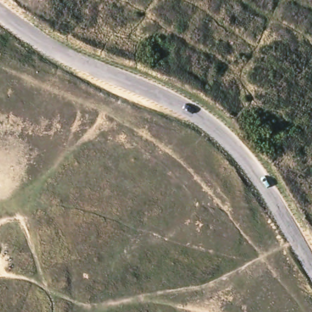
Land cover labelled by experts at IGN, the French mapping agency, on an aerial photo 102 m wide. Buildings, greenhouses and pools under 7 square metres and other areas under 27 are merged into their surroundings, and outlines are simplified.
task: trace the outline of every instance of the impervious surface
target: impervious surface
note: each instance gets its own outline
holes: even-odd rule
[[[247,178],[260,191],[262,199],[277,219],[288,241],[291,247],[306,273],[312,274],[312,240],[307,243],[299,225],[291,216],[283,195],[275,186],[278,180],[268,177],[266,169],[255,155],[240,139],[205,107],[199,110],[199,107],[191,105],[191,99],[188,97],[155,80],[105,65],[94,58],[65,48],[0,2],[0,33],[5,34],[10,30],[40,54],[61,65],[66,66],[77,76],[118,95],[118,101],[130,106],[136,102],[152,110],[194,123],[205,130],[244,169]]]

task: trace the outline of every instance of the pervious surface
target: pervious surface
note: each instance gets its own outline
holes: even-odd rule
[[[252,264],[263,262],[267,256],[273,255],[278,251],[283,251],[284,255],[289,252],[288,247],[291,247],[288,241],[285,243],[280,236],[277,239],[279,244],[267,251],[258,246],[233,217],[229,202],[223,204],[217,199],[212,189],[208,188],[204,180],[171,147],[162,144],[146,129],[135,127],[136,111],[130,106],[118,101],[111,99],[108,106],[95,104],[93,100],[82,99],[68,91],[40,82],[28,74],[15,71],[2,62],[0,62],[0,68],[12,76],[22,78],[28,87],[48,90],[71,101],[77,112],[76,121],[71,127],[72,132],[77,132],[79,128],[80,106],[99,112],[93,127],[82,136],[84,141],[94,139],[100,132],[116,128],[117,124],[121,123],[155,144],[160,154],[167,152],[191,174],[214,204],[227,212],[229,221],[238,228],[258,255],[243,266],[205,284],[144,292],[105,302],[82,302],[55,291],[48,286],[51,283],[50,275],[45,277],[41,269],[40,258],[35,252],[34,241],[27,227],[27,217],[16,214],[0,218],[0,225],[19,222],[23,233],[26,234],[41,279],[40,282],[27,275],[6,272],[9,263],[2,260],[0,255],[0,278],[27,280],[43,286],[49,294],[67,300],[63,312],[102,312],[108,307],[140,302],[160,303],[189,312],[216,312],[194,305],[158,300],[156,295],[202,290],[212,288],[229,278],[245,271]]]
[[[255,155],[266,169],[268,177],[278,180],[275,186],[283,195],[291,216],[299,225],[307,243],[312,240],[312,212],[306,216],[303,214],[299,202],[292,195],[271,157],[261,152]]]
[[[49,24],[38,18],[22,10],[13,0],[0,0],[0,2],[65,48],[94,58],[105,65],[155,80],[188,97],[191,99],[191,105],[199,107],[199,110],[205,107],[240,139],[243,138],[243,132],[234,117],[201,90],[180,82],[175,77],[154,71],[139,62],[102,50],[73,38],[72,35],[56,32]]]

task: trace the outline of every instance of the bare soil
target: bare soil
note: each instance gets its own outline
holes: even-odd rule
[[[19,222],[0,225],[0,255],[2,260],[9,263],[6,272],[27,275],[40,282],[41,279],[26,234],[23,233]]]
[[[194,305],[216,312],[223,312],[221,308],[225,303],[233,300],[232,295],[224,295],[225,291],[232,290],[234,286],[229,278],[212,288],[202,290],[205,301],[197,300]]]
[[[252,39],[243,27],[236,27],[235,33],[255,46],[256,50],[277,39],[277,33],[268,29]]]
[[[255,107],[262,106],[262,102],[256,99],[255,94],[264,94],[264,89],[253,85],[249,79],[249,72],[255,65],[249,61],[228,67],[221,62],[218,63],[216,72],[223,77],[224,85],[228,85],[229,80],[236,80],[240,89],[241,106],[247,107],[247,101],[251,101]]]
[[[274,268],[273,255],[267,256],[263,262],[252,264],[245,271],[251,277],[258,277],[264,271],[269,271],[280,282],[282,277]]]
[[[294,277],[300,285],[301,294],[308,295],[312,292],[312,274],[306,273],[291,247],[288,247],[289,252],[284,255],[285,260],[294,269]]]
[[[0,312],[63,312],[67,300],[49,294],[43,286],[27,280],[0,278]]]
[[[30,208],[21,208],[16,204],[11,194],[21,184],[27,166],[34,163],[34,158],[38,155],[38,150],[34,146],[27,145],[28,135],[54,135],[61,127],[58,123],[60,116],[54,119],[41,117],[40,124],[32,124],[22,122],[22,118],[13,116],[12,113],[0,113],[0,218],[16,214],[27,217],[27,227],[34,241],[35,252],[40,258],[41,269],[45,277],[50,275],[49,264],[66,264],[77,258],[77,255],[67,252],[67,247],[72,247],[72,243],[63,232],[73,232],[82,221],[91,222],[93,214],[63,210],[60,207],[60,200],[51,195],[39,194],[37,204]]]
[[[55,16],[54,9],[51,9],[49,4],[50,0],[13,0],[22,10],[38,18],[39,15],[48,18]]]

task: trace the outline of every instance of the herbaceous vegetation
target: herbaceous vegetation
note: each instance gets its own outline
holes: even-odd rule
[[[285,260],[284,255],[283,251],[278,251],[273,255],[274,268],[282,277],[280,282],[269,271],[264,271],[258,277],[251,277],[245,271],[229,278],[234,286],[232,290],[225,291],[224,295],[232,295],[233,300],[225,303],[221,308],[223,312],[312,312],[312,292],[308,295],[301,294],[300,285],[294,277],[294,269]]]
[[[312,0],[50,0],[49,4],[51,9],[54,9],[55,16],[48,18],[39,15],[38,18],[49,24],[56,32],[72,35],[73,38],[102,50],[105,43],[117,43],[119,49],[133,51],[150,35],[172,33],[184,38],[186,43],[193,45],[194,48],[216,56],[221,62],[228,67],[249,61],[255,65],[249,72],[249,79],[253,85],[264,89],[264,94],[255,94],[256,99],[262,102],[262,106],[255,107],[251,101],[247,101],[247,107],[241,106],[238,115],[234,117],[243,132],[243,138],[240,139],[255,155],[261,152],[271,157],[292,195],[299,202],[303,214],[306,216],[312,212]],[[235,33],[236,27],[243,27],[252,39],[268,29],[277,33],[277,39],[256,50],[255,46]]]
[[[12,60],[10,55],[5,55],[5,61],[2,62],[15,71],[28,74],[40,82],[68,91],[82,99],[93,100],[95,104],[108,106],[111,99],[118,101],[118,95],[77,76],[66,66],[61,65],[58,69],[46,66],[35,56],[34,69]]]
[[[54,119],[60,116],[58,123],[61,127],[54,135],[28,135],[27,145],[34,146],[38,150],[38,155],[34,158],[34,163],[27,166],[21,184],[11,194],[16,204],[21,208],[30,208],[37,204],[39,194],[51,195],[60,200],[60,207],[63,210],[93,214],[91,222],[82,221],[73,232],[63,232],[72,243],[72,247],[67,247],[67,252],[77,255],[77,258],[66,264],[49,264],[50,275],[51,283],[48,286],[55,291],[82,302],[105,302],[144,292],[205,284],[243,266],[258,255],[238,228],[229,221],[227,212],[214,204],[191,174],[167,152],[160,154],[155,144],[121,123],[117,124],[116,128],[100,132],[94,139],[84,141],[82,136],[93,127],[99,112],[80,106],[79,128],[77,132],[72,132],[71,127],[76,121],[77,112],[71,101],[48,90],[28,87],[22,78],[12,76],[0,68],[0,113],[12,113],[13,116],[22,118],[22,122],[32,124],[40,124],[41,117]]]
[[[197,300],[205,301],[202,290],[156,295],[158,300],[194,305]]]
[[[194,123],[152,110],[136,102],[130,106],[136,111],[135,127],[146,129],[162,144],[171,147],[204,180],[208,188],[212,189],[217,199],[223,204],[229,202],[233,217],[258,246],[267,251],[279,244],[277,239],[280,236],[285,243],[288,241],[277,219],[262,199],[260,191],[247,178],[244,169],[205,130]]]
[[[160,303],[140,302],[108,307],[102,312],[189,312]]]

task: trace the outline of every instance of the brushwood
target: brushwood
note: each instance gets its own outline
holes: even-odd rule
[[[218,63],[221,62],[216,56],[194,48],[193,45],[186,43],[184,38],[172,33],[150,35],[133,51],[119,49],[117,43],[105,43],[102,50],[139,62],[154,71],[175,77],[180,82],[201,90],[234,117],[238,115],[241,106],[240,89],[236,80],[229,80],[228,85],[224,85],[223,77],[216,72]]]
[[[2,62],[5,61],[5,55],[10,55],[12,60],[34,69],[35,56],[46,66],[58,69],[61,65],[40,54],[10,30],[5,34],[0,33],[0,62]]]

